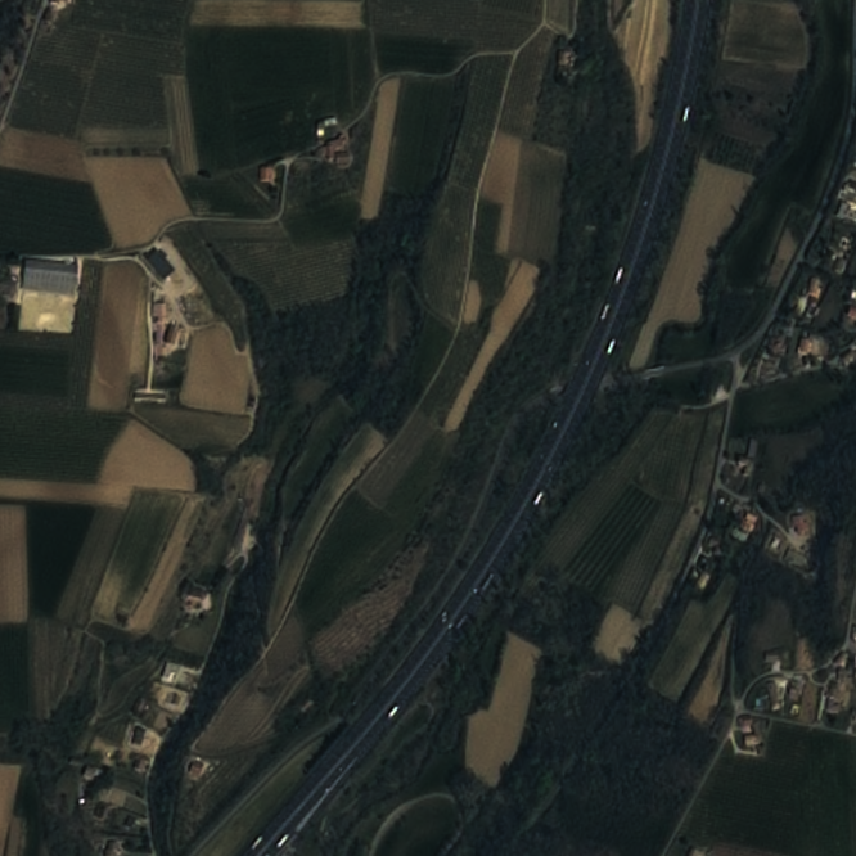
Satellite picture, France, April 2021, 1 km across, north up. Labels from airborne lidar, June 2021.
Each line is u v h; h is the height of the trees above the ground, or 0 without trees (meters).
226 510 0
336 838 14
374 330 22
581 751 15
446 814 0
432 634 0
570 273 15
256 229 0
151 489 0
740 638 9
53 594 0
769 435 11
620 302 0
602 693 17
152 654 6
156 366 0
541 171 0
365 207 0
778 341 0
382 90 0
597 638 18
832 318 0
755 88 0
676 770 17
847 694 0
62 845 18
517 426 0
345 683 6
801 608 16
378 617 6
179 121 0
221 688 18
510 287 0
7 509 0
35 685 0
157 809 16
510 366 13
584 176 7
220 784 0
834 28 0
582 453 11
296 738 19
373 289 18
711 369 14
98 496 0
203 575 0
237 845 0
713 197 0
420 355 0
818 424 14
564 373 18
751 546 7
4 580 0
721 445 0
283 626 0
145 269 0
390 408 15
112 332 0
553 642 32
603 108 13
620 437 19
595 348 0
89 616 0
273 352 18
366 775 0
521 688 0
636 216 0
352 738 0
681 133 0
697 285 0
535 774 29
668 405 8
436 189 11
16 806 0
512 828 19
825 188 0
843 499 13
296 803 0
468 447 6
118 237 0
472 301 0
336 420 0
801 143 0
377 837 0
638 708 22
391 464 0
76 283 0
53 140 0
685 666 0
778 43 0
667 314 0
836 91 0
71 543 0
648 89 0
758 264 0
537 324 13
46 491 0
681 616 13
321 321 12
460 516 11
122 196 0
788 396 0
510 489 13
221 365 0
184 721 15
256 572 17
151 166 0
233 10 0
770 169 14
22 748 16
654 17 0
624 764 15
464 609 0
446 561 16
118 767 9
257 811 0
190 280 0
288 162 0
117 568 0
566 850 16
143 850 7
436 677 0
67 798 12
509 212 0
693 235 0
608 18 8
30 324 0
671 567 0
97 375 0
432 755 13
